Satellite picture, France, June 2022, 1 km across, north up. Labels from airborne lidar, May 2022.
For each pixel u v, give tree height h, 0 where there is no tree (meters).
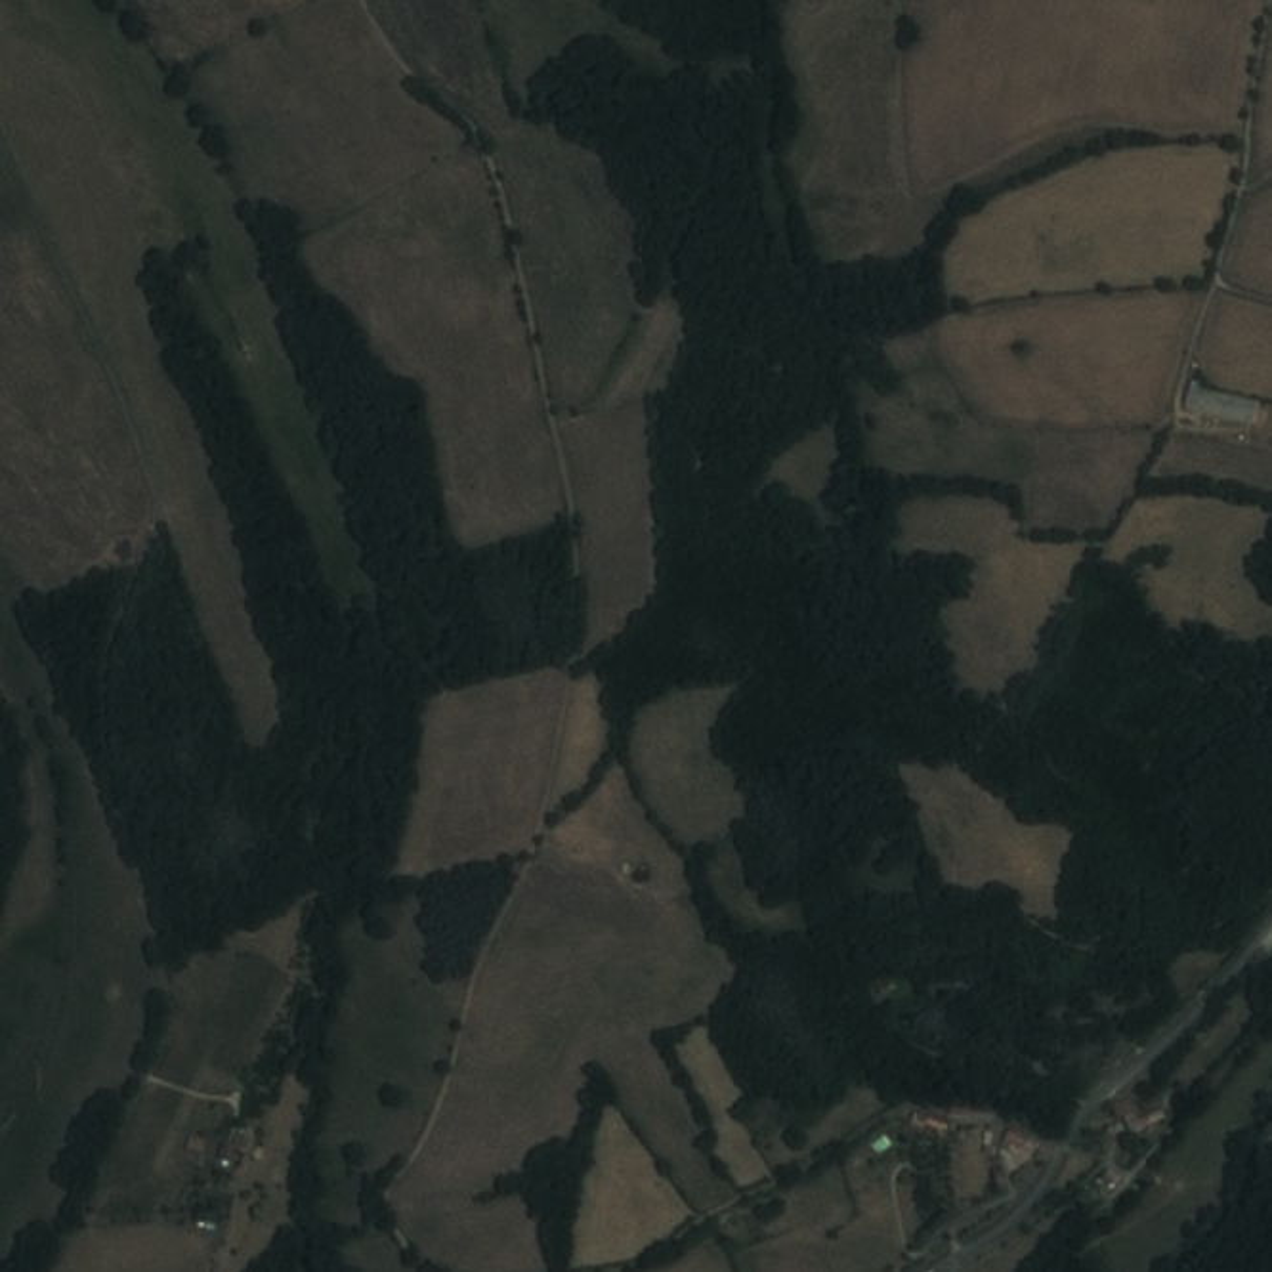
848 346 19
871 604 16
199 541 0
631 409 0
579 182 0
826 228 0
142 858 11
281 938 0
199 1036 0
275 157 0
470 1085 0
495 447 0
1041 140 0
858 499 16
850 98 0
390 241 0
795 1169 12
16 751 17
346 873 11
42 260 0
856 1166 0
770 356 11
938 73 0
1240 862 16
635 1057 0
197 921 18
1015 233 0
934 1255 0
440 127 0
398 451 16
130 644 10
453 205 0
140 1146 0
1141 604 10
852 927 26
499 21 0
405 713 25
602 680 9
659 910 0
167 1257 0
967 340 0
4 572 0
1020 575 0
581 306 0
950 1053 15
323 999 11
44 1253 17
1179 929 16
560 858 0
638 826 0
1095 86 0
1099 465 0
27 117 0
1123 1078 0
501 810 0
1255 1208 22
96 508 0
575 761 0
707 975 0
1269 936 0
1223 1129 0
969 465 0
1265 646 17
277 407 0
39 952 0
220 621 0
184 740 9
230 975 0
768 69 23
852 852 15
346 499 20
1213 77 0
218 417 17
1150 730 10
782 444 21
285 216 18
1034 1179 0
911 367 0
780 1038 12
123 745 8
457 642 17
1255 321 0
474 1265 0
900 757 7
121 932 0
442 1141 0
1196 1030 7
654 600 12
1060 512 0
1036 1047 12
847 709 10
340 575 0
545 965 0
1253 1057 11
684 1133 0
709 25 11
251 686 0
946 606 15
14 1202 0
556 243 0
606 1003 0
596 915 0
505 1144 0
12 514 0
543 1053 0
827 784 19
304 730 15
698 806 0
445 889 15
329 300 11
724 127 25
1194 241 0
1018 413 0
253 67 0
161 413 0
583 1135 18
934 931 12
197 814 10
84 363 0
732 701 10
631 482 0
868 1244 0
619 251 0
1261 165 0
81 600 9
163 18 0
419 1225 0
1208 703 10
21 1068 0
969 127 0
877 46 0
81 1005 0
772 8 16
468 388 0
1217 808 20
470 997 0
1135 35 0
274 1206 0
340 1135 0
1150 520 0
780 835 14
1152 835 6
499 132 0
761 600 11
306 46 0
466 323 0
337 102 0
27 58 0
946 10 0
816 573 16
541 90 19
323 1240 20
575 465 0
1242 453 0
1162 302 0
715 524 13
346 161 0
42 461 0
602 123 21
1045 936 10
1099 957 14
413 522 14
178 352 20
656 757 0
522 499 0
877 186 0
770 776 17
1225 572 0
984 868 0
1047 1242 19
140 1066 16
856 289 19
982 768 13
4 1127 0
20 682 0
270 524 21
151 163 0
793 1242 0
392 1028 0
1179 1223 0
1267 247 0
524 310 9
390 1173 11
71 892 0
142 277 12
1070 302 0
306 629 22
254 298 0
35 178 0
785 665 11
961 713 7
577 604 10
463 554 12
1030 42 0
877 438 0
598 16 0
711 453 17
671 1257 17
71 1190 13
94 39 0
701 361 14
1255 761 21
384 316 0
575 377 0
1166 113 0
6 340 0
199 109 16
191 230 0
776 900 19
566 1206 21
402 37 0
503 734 0
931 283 18
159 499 0
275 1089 8
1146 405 0
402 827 13
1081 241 0
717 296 19
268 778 13
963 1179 0
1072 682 7
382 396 17
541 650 11
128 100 0
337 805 12
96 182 0
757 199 14
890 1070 24
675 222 14
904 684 5
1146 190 0
